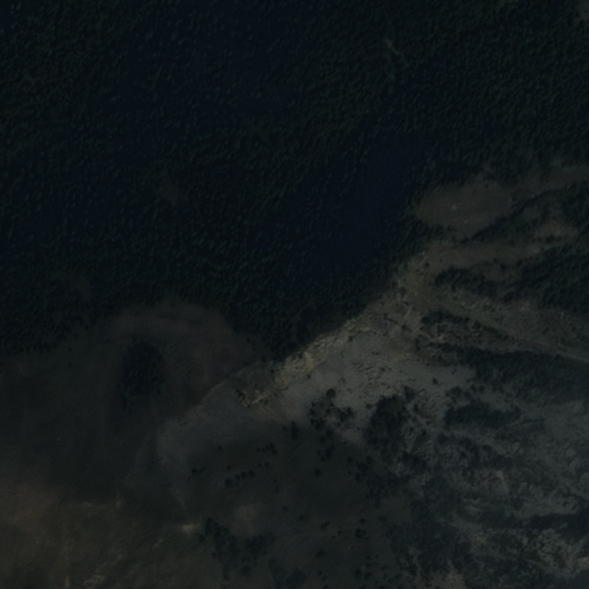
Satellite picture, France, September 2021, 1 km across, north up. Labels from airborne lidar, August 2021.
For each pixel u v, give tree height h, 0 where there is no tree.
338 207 27
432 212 0
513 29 29
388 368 0
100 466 0
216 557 13
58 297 21
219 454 0
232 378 0
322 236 30
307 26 31
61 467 0
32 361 0
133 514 0
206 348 0
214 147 28
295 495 0
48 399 0
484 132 17
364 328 0
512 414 11
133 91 7
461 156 22
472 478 7
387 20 24
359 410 0
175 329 0
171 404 0
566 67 7
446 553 12
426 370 0
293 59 19
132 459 0
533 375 7
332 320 17
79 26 27
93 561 0
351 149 29
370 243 11
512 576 12
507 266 14
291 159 27
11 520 0
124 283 23
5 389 0
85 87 22
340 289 16
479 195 0
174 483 0
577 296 17
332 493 0
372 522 0
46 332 11
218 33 10
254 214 25
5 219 11
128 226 26
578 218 16
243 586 0
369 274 11
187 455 0
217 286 22
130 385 11
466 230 0
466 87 22
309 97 28
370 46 26
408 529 14
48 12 21
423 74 25
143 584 0
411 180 18
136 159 17
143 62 9
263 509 0
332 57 29
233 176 23
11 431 0
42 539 0
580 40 10
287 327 10
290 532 0
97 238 27
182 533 0
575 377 8
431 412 0
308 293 12
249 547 17
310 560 0
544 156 19
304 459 0
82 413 0
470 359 16
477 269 0
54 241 27
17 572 0
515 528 8
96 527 0
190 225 18
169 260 14
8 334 11
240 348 0
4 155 22
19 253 23
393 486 14
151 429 0
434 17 24
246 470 0
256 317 23
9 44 28
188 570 0
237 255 19
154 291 21
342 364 0
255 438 0
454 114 20
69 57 29
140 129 27
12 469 0
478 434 0
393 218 18
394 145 22
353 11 18
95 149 26
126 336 0
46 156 26
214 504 0
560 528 10
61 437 0
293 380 0
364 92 12
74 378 0
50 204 14
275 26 14
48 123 20
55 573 0
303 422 0
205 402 0
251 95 27
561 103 30
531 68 25
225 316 15
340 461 0
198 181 15
